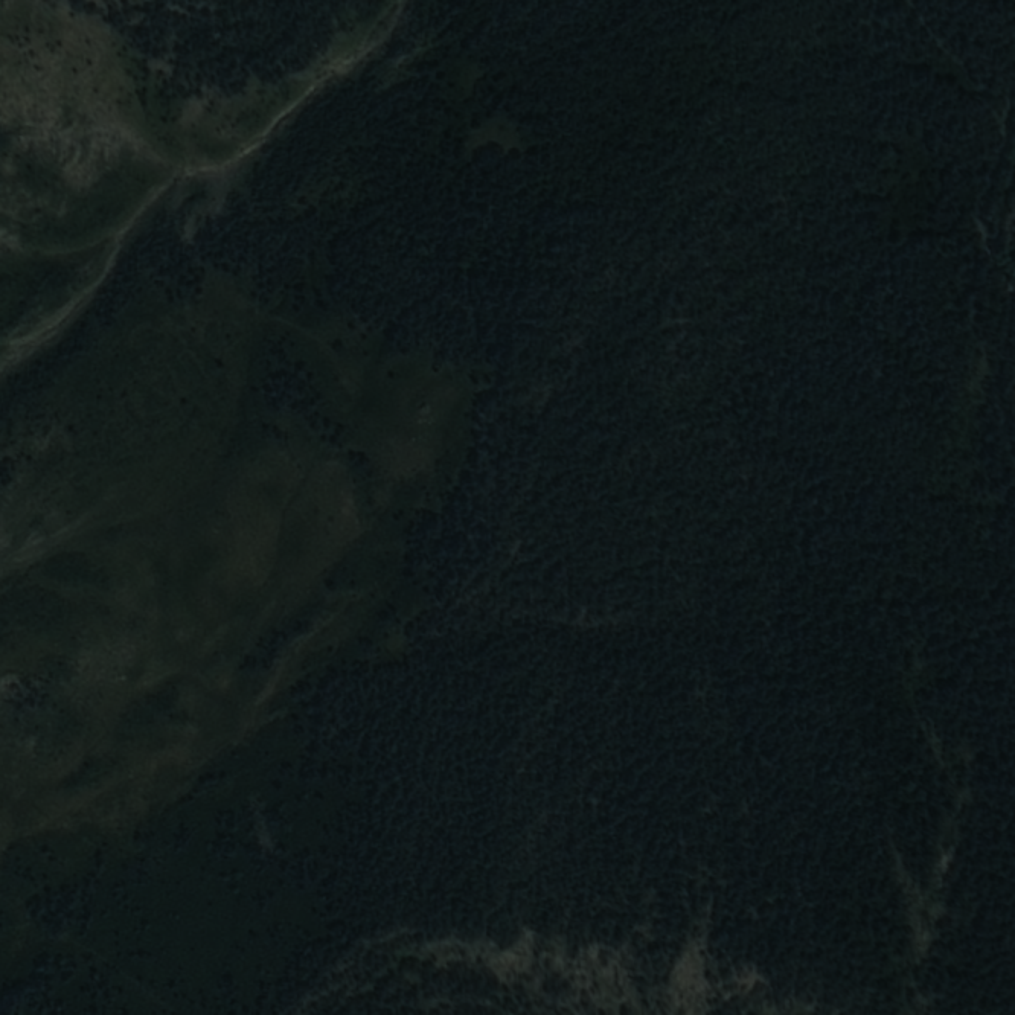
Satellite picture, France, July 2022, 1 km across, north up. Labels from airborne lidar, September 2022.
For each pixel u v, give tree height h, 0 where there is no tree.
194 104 0
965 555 33
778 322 23
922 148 11
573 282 20
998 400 28
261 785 0
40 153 0
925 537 27
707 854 14
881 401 27
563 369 17
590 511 21
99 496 0
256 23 21
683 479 16
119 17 24
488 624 23
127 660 0
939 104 26
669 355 16
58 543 0
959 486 23
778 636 10
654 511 18
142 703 0
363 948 10
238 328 0
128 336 0
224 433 0
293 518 0
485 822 15
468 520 17
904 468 28
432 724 15
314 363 0
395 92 14
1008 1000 31
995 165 14
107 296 7
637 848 13
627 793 10
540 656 18
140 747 0
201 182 0
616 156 17
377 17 11
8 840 0
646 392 19
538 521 19
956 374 26
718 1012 6
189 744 0
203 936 0
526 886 13
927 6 28
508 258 14
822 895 23
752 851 19
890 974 19
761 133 15
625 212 16
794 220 26
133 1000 0
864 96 31
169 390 0
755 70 22
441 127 12
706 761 13
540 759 12
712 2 18
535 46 15
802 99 29
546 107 8
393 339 18
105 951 0
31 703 6
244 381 0
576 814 22
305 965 8
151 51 16
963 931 22
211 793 0
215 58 15
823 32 20
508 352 27
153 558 0
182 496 0
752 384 22
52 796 0
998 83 22
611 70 16
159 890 0
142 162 0
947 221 29
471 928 7
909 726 12
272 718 0
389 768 12
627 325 26
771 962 20
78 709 0
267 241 18
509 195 21
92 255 0
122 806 0
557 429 18
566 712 26
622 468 15
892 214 12
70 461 0
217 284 0
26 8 0
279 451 0
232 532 0
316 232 12
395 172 16
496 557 17
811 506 22
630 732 15
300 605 0
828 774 30
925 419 24
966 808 25
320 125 10
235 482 0
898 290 35
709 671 20
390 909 11
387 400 0
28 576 0
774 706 31
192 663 0
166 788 0
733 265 20
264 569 0
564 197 11
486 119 9
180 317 0
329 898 11
